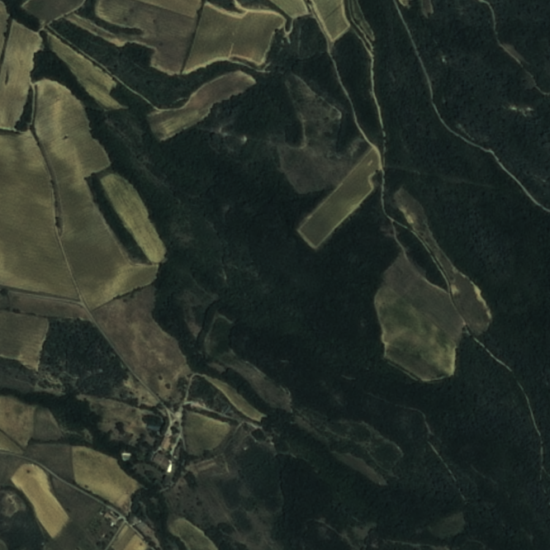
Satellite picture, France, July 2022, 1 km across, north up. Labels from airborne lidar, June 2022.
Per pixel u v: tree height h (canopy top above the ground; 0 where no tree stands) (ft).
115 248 0
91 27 0
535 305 32
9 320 0
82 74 0
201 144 21
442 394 25
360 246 21
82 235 0
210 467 0
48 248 0
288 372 20
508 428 23
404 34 25
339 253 27
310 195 25
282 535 28
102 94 0
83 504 0
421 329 0
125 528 0
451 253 23
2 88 0
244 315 26
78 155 0
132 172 33
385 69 24
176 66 0
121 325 0
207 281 33
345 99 20
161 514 24
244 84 0
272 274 20
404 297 0
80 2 0
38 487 0
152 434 28
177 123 0
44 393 37
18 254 0
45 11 0
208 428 0
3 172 0
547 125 27
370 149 0
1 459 0
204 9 0
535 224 27
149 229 0
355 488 35
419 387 23
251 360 22
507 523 21
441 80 29
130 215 0
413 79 25
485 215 31
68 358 26
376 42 25
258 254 19
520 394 20
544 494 22
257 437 30
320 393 27
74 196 0
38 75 39
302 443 25
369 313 23
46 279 0
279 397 0
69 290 0
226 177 35
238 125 22
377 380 26
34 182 0
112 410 0
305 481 20
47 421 0
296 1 0
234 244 22
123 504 0
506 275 32
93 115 45
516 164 25
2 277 0
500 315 20
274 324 28
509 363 28
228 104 19
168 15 0
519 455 30
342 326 29
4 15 0
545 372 33
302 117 0
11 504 0
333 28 0
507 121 25
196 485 22
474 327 0
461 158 37
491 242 39
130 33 32
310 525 21
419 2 21
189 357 28
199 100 0
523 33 26
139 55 24
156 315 35
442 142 24
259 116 25
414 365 0
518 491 17
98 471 0
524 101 22
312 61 25
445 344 0
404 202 0
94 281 0
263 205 32
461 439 23
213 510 0
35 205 0
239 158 20
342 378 26
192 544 0
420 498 18
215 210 19
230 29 0
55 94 0
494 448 21
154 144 32
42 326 0
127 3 0
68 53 0
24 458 0
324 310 32
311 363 27
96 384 29
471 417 25
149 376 0
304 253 22
